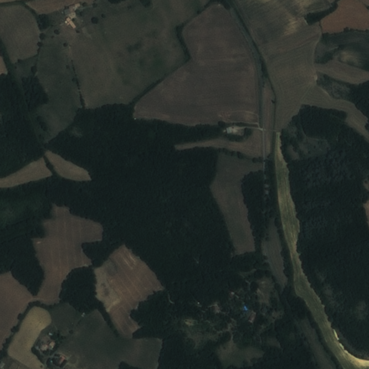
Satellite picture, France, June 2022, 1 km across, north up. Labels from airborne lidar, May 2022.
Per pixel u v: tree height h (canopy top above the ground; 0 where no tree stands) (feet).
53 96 0
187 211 52
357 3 0
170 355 53
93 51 0
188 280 31
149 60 0
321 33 0
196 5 0
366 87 47
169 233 43
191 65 0
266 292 0
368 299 35
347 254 45
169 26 0
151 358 0
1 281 0
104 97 0
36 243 0
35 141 75
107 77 0
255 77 0
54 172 30
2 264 28
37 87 59
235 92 0
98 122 49
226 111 0
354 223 35
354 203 58
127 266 0
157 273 48
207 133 41
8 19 0
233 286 58
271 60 0
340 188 33
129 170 73
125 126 58
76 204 66
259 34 0
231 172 0
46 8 0
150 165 67
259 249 30
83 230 0
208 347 24
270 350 50
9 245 58
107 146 41
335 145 28
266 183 51
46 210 19
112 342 0
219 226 39
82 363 0
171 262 57
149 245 46
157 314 36
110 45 0
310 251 46
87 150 50
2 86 67
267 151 0
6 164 24
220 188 0
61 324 0
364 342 28
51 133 0
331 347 0
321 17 42
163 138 45
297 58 0
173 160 58
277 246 0
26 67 0
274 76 0
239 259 39
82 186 79
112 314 0
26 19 0
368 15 0
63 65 0
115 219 53
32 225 22
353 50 0
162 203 20
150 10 0
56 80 0
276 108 0
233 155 39
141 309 63
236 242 0
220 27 0
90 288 38
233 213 0
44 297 0
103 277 0
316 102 0
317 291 37
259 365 57
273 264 0
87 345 0
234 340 25
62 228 0
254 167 0
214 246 38
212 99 0
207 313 26
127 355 0
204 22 0
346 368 0
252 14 0
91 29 0
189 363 48
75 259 0
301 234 41
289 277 99
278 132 0
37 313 0
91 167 44
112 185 70
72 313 0
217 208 48
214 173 48
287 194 0
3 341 0
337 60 0
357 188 31
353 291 29
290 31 0
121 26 0
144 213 70
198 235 40
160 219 61
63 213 0
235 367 36
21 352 0
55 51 0
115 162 48
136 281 0
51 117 0
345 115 40
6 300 0
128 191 48
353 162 60
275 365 66
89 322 0
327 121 56
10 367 0
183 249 54
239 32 0
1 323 0
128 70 0
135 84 0
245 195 58
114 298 0
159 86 0
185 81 0
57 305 19
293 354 65
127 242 43
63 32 0
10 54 0
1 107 37
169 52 0
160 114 0
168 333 41
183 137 53
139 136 35
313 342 0
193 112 0
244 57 0
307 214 53
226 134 26
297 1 0
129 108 44
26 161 32
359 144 38
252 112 0
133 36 0
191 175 64
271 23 0
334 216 60
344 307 29
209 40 0
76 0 0
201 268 36
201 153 63
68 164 0
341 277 64
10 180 0
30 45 0
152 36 0
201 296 70
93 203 46
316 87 0
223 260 52
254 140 0
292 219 0
